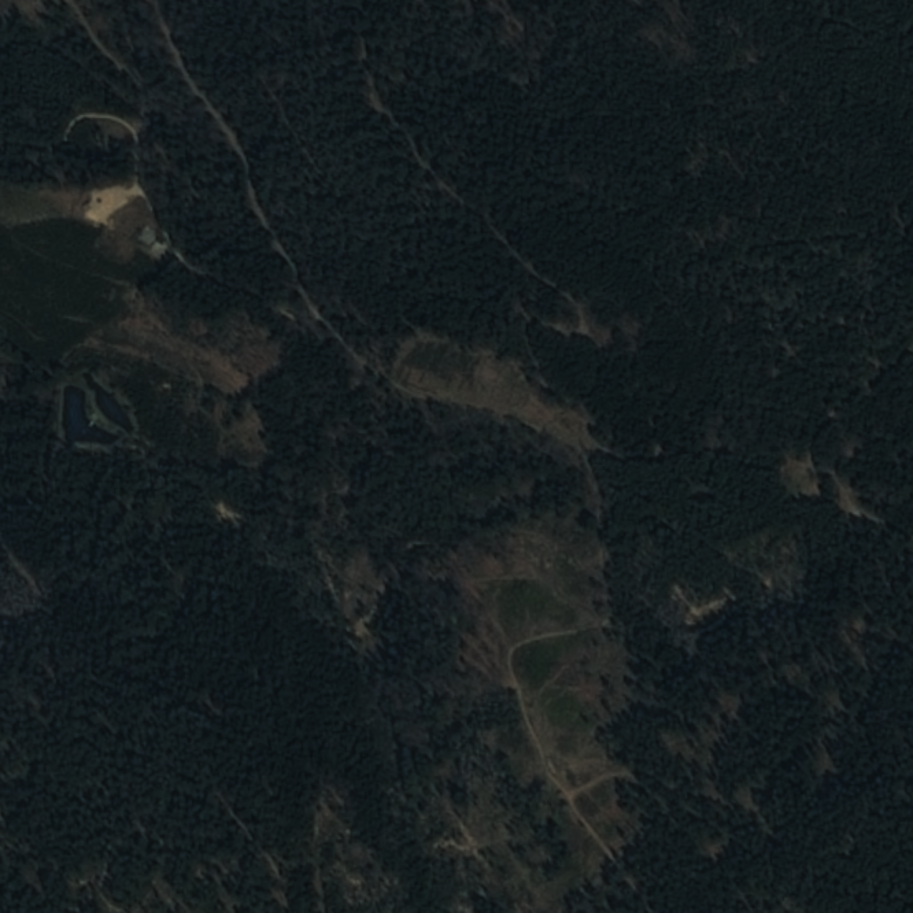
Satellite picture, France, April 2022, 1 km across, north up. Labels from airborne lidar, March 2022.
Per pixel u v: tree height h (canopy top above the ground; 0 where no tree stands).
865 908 30
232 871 27
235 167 18
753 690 27
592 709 0
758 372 23
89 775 30
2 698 26
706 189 19
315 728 19
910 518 10
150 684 17
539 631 0
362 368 27
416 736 28
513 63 17
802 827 32
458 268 28
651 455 22
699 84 23
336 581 10
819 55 17
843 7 18
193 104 31
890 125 18
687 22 19
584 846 0
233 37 26
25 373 6
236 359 20
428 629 22
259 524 24
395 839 10
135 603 22
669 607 13
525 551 0
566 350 20
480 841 0
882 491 10
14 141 27
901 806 29
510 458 24
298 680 19
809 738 33
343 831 0
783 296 16
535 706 0
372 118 11
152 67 29
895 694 26
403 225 27
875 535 23
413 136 11
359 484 12
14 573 27
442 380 0
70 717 30
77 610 22
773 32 18
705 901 23
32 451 23
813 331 27
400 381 0
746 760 29
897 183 20
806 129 20
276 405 20
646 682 30
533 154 27
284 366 22
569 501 28
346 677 15
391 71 23
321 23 26
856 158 23
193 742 21
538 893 0
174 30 25
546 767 0
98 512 17
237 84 24
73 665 24
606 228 23
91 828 28
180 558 19
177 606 13
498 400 0
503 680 22
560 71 21
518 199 24
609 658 0
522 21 27
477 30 17
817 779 28
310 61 9
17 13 0
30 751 29
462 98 29
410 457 25
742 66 11
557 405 24
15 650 27
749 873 26
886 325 29
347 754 15
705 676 29
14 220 0
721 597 17
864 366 18
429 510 28
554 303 26
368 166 28
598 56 20
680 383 15
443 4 19
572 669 0
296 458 26
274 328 24
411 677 22
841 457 29
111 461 11
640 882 21
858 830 24
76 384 0
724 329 14
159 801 33
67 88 21
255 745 27
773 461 16
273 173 19
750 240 21
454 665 17
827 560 25
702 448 31
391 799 10
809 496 0
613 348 12
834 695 28
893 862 19
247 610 21
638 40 22
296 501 18
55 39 14
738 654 25
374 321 26
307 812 16
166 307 19
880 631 32
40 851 24
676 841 23
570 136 23
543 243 23
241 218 17
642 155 24
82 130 5
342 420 24
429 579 28
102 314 6
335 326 21
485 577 27
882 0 15
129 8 13
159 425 8
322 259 13
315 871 8
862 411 22
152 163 25
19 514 22
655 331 15
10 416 27
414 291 23
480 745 16
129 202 0
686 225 16
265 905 21
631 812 24
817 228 19
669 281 20
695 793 26
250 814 26
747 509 24
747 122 20
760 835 27
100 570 20
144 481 17
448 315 15
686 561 19
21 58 20
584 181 26
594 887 0
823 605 28
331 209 26
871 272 14
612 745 26
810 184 20
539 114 20
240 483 26
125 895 25
